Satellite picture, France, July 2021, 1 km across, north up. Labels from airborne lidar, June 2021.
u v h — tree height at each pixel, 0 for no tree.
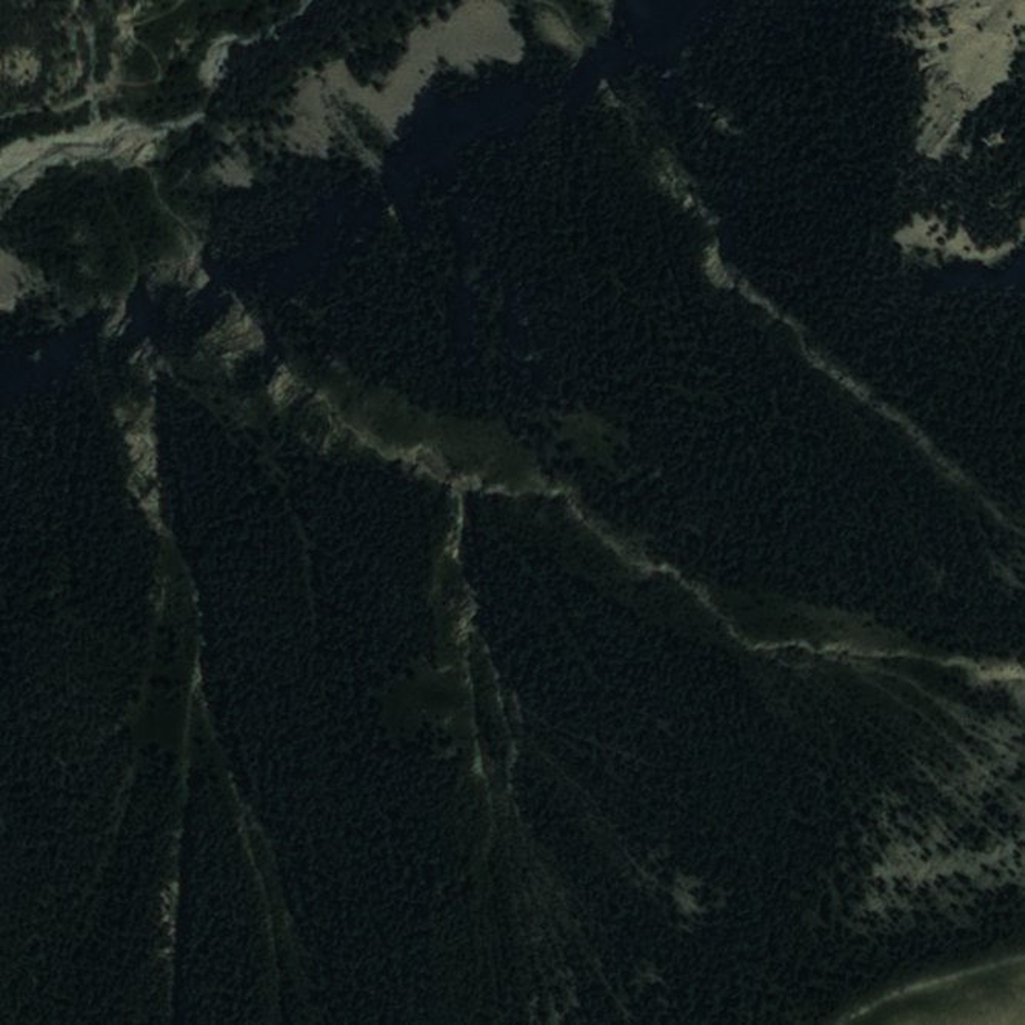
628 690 14
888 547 21
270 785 19
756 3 15
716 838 15
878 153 17
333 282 10
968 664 0
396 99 0
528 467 0
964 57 0
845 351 13
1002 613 15
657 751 13
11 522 16
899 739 9
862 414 12
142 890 13
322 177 16
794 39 22
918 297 12
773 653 0
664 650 20
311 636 18
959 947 7
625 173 9
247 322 0
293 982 13
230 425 11
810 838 18
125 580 21
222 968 13
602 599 22
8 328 10
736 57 13
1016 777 7
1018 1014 0
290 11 8
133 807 7
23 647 14
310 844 18
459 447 0
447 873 21
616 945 9
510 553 10
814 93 11
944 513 12
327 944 17
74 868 16
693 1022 10
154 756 10
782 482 20
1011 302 25
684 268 17
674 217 7
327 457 6
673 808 11
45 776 22
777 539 17
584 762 11
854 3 21
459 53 0
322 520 10
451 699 0
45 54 7
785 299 16
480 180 9
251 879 7
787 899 16
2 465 18
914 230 0
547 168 10
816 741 10
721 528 14
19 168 0
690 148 13
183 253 0
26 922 17
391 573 19
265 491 12
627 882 8
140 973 22
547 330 13
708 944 13
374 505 16
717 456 25
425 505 17
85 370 6
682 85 11
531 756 8
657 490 18
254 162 7
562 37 0
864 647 0
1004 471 11
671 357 21
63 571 11
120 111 9
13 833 18
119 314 0
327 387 0
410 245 9
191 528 24
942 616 17
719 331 16
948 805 8
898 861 0
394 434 0
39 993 16
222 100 16
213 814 18
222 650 26
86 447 22
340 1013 19
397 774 18
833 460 16
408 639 10
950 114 0
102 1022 23
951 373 15
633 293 10
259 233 9
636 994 14
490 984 13
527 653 10
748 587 20
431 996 15
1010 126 16
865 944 11
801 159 21
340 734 20
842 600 16
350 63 8
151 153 0
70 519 15
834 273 20
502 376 13
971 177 9
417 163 8
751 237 11
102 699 16
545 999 6
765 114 16
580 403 12
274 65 13
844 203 20
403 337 17
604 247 21
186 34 0
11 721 10
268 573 13
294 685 19
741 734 19
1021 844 8
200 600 0
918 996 0
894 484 11
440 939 19
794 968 15
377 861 23
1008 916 10
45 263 9
